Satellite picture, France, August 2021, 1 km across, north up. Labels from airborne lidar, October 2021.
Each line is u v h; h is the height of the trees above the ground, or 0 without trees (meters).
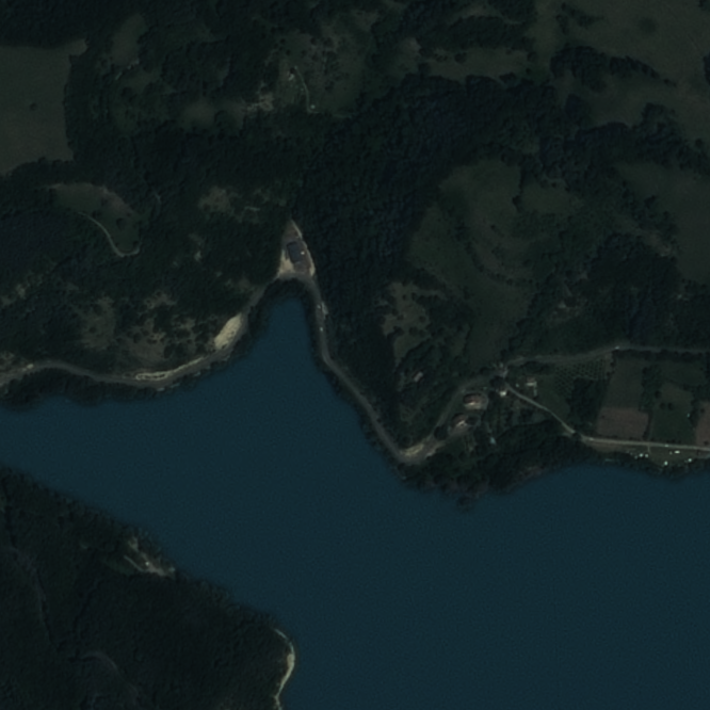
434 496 0
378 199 9
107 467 0
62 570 20
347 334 8
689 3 0
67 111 9
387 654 0
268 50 16
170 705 22
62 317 13
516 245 0
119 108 0
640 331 27
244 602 0
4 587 23
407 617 0
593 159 21
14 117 0
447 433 13
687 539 0
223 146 20
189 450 0
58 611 13
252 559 0
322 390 0
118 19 14
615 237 10
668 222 6
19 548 14
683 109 0
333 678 0
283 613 0
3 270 10
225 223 8
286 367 0
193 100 12
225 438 0
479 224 0
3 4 17
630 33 0
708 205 0
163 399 0
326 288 9
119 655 16
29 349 12
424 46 15
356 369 7
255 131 19
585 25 7
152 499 0
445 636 0
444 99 27
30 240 24
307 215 11
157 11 22
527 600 0
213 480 0
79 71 16
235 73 15
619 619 0
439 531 0
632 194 13
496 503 0
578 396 9
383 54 5
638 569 0
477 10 0
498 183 0
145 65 15
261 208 6
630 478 0
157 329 8
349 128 8
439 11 23
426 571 0
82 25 22
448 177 17
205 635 18
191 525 0
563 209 0
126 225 9
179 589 19
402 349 0
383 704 0
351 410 0
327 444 0
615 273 18
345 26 5
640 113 0
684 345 7
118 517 0
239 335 0
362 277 16
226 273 8
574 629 0
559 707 0
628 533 0
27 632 18
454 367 14
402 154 12
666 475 10
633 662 0
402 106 8
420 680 0
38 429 0
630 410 0
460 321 13
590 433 8
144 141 14
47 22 29
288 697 0
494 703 0
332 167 18
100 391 18
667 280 21
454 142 27
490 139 21
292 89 0
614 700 0
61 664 29
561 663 0
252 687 13
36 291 9
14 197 16
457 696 0
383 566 0
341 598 0
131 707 16
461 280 0
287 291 18
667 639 0
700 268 0
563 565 0
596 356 0
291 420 0
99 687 14
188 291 13
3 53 0
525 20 13
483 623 0
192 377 10
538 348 10
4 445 0
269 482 0
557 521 0
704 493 0
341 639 0
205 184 17
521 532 0
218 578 0
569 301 8
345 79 7
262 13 23
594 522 0
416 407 11
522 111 23
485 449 9
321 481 0
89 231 15
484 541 0
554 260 17
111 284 15
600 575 0
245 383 0
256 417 0
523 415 7
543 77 0
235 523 0
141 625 22
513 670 0
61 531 13
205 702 15
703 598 0
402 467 11
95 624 21
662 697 0
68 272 15
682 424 0
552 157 23
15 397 14
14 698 26
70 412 0
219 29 20
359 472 0
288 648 10
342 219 23
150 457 0
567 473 0
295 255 0
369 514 0
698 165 13
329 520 0
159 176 16
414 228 15
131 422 0
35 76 0
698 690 0
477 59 0
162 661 24
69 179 15
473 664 0
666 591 0
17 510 10
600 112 0
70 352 7
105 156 18
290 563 0
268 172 18
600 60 30
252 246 10
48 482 0
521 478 7
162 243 16
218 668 18
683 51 0
